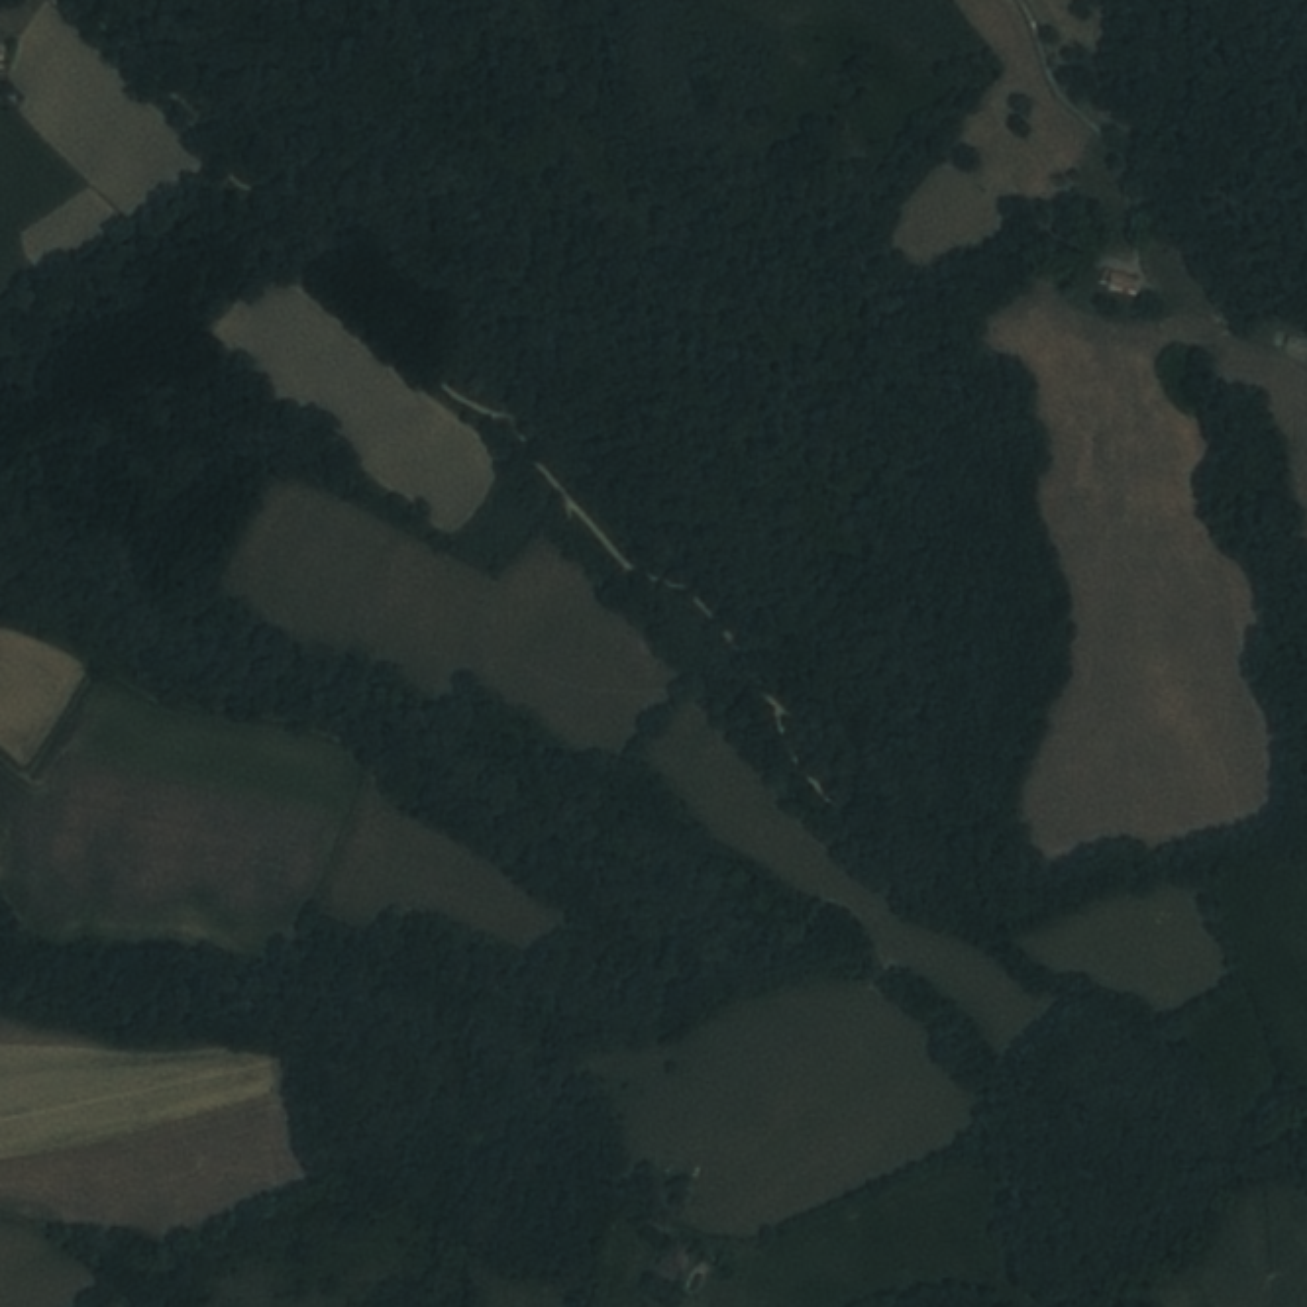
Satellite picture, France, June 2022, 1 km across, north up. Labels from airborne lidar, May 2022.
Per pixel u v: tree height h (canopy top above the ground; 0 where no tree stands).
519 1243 25
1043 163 0
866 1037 0
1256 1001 6
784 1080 0
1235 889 0
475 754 22
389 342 16
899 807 23
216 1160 0
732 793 0
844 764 17
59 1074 0
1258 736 0
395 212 10
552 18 6
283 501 0
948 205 0
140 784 0
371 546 0
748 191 13
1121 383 0
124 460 14
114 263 17
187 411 14
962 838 26
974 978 0
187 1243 26
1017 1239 22
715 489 10
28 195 0
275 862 0
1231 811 0
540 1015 22
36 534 6
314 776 0
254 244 12
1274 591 26
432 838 0
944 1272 0
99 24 12
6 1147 0
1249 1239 0
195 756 0
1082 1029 26
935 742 26
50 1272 0
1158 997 0
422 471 0
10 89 10
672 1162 0
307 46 12
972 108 18
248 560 0
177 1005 23
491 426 13
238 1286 0
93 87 0
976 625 26
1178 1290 0
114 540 17
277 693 10
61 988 19
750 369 21
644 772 12
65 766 0
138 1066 0
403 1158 15
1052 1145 27
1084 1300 25
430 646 0
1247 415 27
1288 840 27
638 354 10
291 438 24
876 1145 0
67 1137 0
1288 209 24
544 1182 13
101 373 20
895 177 18
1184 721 0
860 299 15
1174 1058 25
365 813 0
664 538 16
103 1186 0
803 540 16
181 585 20
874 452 22
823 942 23
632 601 9
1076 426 0
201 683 14
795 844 0
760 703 8
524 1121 22
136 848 0
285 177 15
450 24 19
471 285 6
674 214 16
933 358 19
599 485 11
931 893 20
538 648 0
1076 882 25
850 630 20
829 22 0
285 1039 13
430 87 10
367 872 0
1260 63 18
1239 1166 24
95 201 0
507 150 8
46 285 25
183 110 16
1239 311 14
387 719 21
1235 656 0
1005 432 24
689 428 23
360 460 11
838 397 10
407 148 17
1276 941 0
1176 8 27
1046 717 17
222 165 18
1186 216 20
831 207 8
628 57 8
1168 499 0
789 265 17
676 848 23
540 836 12
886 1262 0
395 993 21
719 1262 6
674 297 13
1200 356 19
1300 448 0
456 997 20
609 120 20
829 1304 0
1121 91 22
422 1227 6
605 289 24
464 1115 21
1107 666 0
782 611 20
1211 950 0
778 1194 0
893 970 9
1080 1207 27
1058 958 0
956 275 19
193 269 19
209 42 18
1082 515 0
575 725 0
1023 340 0
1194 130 25
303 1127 20
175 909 0
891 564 21
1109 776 0
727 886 23
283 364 0
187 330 17
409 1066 13
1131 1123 27
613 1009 21
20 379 20
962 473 24
